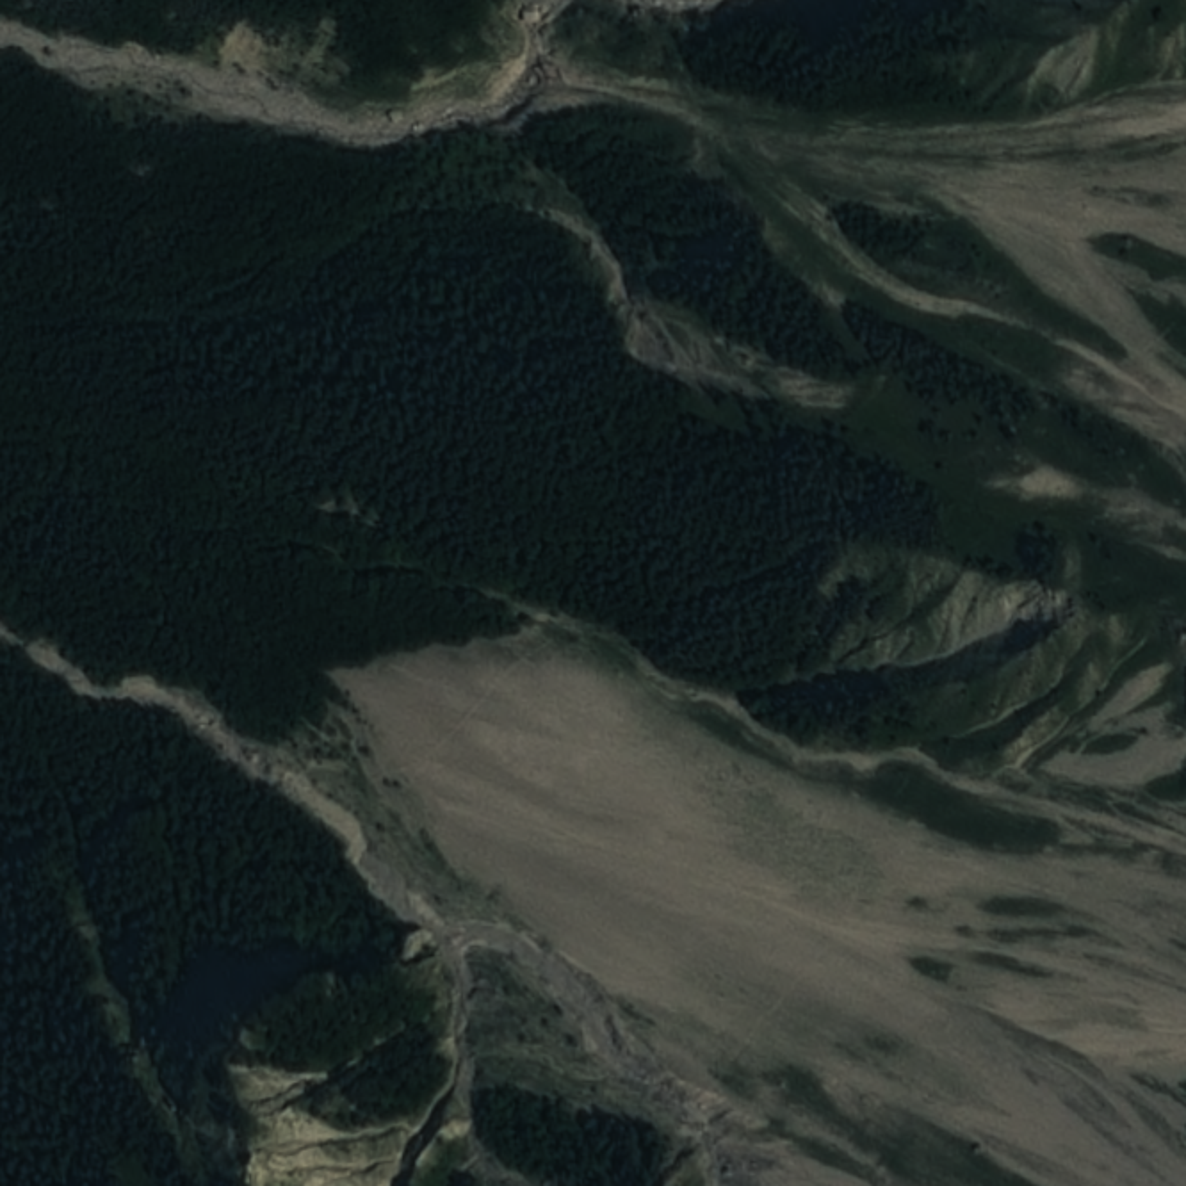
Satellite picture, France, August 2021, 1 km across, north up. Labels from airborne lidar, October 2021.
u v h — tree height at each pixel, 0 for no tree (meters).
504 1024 0
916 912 0
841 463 14
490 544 22
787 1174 0
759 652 22
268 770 0
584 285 11
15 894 21
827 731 13
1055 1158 0
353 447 14
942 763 0
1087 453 0
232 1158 0
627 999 0
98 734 16
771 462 20
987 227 0
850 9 12
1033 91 0
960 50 10
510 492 20
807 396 0
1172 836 0
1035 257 0
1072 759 0
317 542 14
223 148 9
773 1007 0
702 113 0
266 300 12
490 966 0
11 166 12
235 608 15
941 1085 0
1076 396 0
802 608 11
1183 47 0
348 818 0
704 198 16
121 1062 10
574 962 0
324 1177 0
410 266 15
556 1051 0
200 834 15
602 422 21
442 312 26
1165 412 0
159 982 14
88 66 0
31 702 18
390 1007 19
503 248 14
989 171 0
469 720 0
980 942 0
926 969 0
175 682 10
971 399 16
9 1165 29
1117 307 0
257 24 5
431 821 0
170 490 19
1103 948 0
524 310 21
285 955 7
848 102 13
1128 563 0
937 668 0
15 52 6
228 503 18
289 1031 10
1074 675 0
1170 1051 0
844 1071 0
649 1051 0
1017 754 0
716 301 25
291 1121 0
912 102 11
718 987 0
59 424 19
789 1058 0
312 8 14
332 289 13
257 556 24
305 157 11
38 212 14
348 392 24
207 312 16
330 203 12
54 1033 19
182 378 23
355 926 13
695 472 21
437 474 28
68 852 15
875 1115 0
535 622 9
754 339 16
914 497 14
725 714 0
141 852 18
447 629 18
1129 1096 0
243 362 16
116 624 17
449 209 8
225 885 18
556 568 25
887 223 6
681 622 20
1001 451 0
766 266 11
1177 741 0
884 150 0
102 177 13
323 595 24
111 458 16
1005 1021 0
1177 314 0
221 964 16
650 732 0
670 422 12
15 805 24
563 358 23
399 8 5
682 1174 0
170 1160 19
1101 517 0
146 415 26
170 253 16
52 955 33
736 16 0
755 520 15
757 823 0
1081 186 0
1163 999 0
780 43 19
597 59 0
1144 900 0
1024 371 0
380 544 20
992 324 0
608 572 27
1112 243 0
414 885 0
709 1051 0
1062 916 0
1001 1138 0
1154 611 0
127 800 22
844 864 0
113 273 12
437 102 0
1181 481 0
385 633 21
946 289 0
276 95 0
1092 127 0
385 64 11
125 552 23
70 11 7
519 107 0
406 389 29
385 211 9
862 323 12
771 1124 0
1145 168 0
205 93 0
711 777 0
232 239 17
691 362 0
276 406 24
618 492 15
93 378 26
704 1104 0
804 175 0
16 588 13
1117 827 0
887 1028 0
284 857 20
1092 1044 0
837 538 15
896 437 0
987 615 0
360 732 0
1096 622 0
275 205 9
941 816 0
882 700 15
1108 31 0
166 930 15
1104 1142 0
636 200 18
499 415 25
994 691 0
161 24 11
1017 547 0
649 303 0
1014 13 0
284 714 9
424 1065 17
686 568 22
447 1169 7
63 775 23
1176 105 0
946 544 8
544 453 24
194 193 11
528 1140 15
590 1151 9
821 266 0
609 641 0
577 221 0
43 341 19
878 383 0
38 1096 16
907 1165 0
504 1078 0
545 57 0
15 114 14
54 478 17
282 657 14
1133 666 0
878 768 0
